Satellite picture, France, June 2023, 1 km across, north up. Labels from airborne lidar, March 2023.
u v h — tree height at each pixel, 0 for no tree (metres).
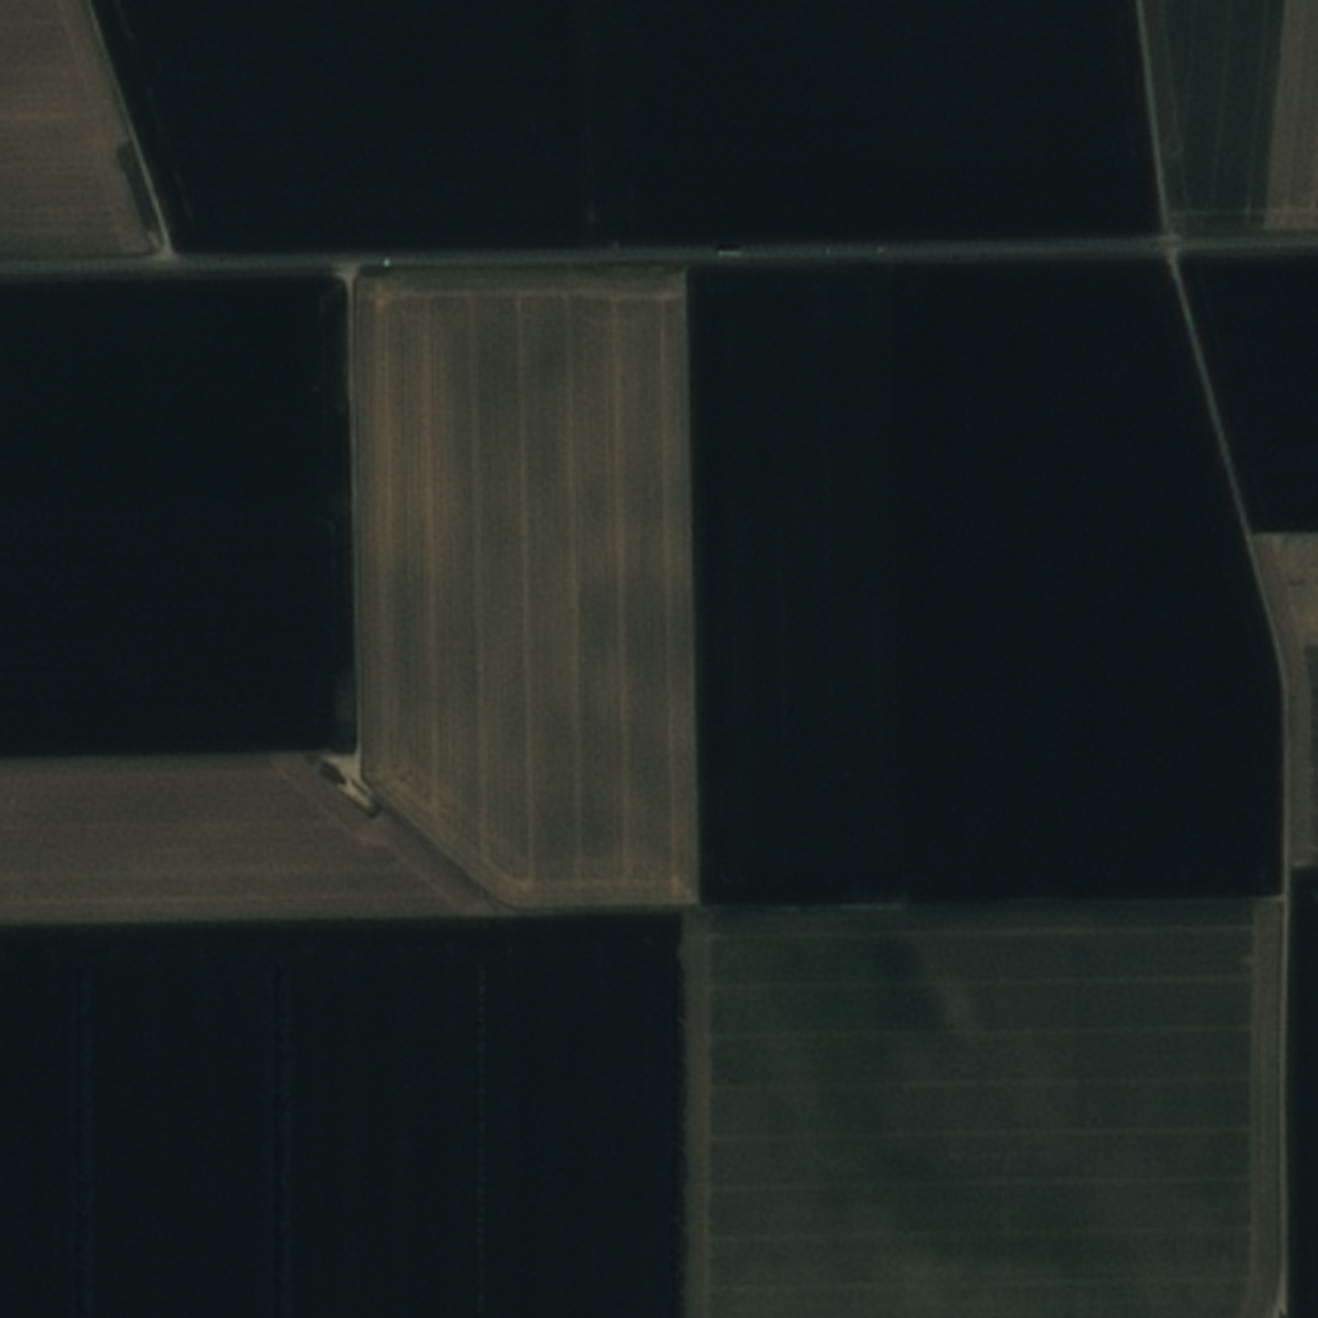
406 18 0
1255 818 0
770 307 0
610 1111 0
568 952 0
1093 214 0
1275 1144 0
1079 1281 0
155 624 0
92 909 0
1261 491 0
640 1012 0
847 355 0
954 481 0
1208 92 0
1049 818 0
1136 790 0
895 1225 0
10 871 0
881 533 0
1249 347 0
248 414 0
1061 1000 0
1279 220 0
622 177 0
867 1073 0
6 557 0
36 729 0
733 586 0
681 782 0
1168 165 0
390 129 0
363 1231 0
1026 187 0
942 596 0
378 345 0
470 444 0
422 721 0
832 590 0
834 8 0
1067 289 0
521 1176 0
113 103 0
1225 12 0
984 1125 0
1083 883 0
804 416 0
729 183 0
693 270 0
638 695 0
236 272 0
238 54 0
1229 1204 0
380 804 0
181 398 0
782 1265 0
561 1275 0
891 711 0
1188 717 0
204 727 0
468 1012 0
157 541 0
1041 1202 0
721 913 0
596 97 0
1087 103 0
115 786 0
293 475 0
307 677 0
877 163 0
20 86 0
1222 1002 0
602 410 0
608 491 0
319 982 0
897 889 0
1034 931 0
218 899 0
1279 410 0
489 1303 0
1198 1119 0
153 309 0
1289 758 0
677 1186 8
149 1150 0
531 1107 0
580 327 0
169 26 0
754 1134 0
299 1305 0
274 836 0
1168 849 0
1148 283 0
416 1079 0
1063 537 0
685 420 0
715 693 0
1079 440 0
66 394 0
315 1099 0
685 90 0
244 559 0
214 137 0
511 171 0
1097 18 0
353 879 0
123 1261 0
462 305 0
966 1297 0
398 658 0
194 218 0
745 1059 0
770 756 0
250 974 0
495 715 0
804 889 0
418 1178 0
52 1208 0
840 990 0
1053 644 0
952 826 0
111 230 0
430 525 0
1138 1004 0
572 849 0
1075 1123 0
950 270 0
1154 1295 0
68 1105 0
